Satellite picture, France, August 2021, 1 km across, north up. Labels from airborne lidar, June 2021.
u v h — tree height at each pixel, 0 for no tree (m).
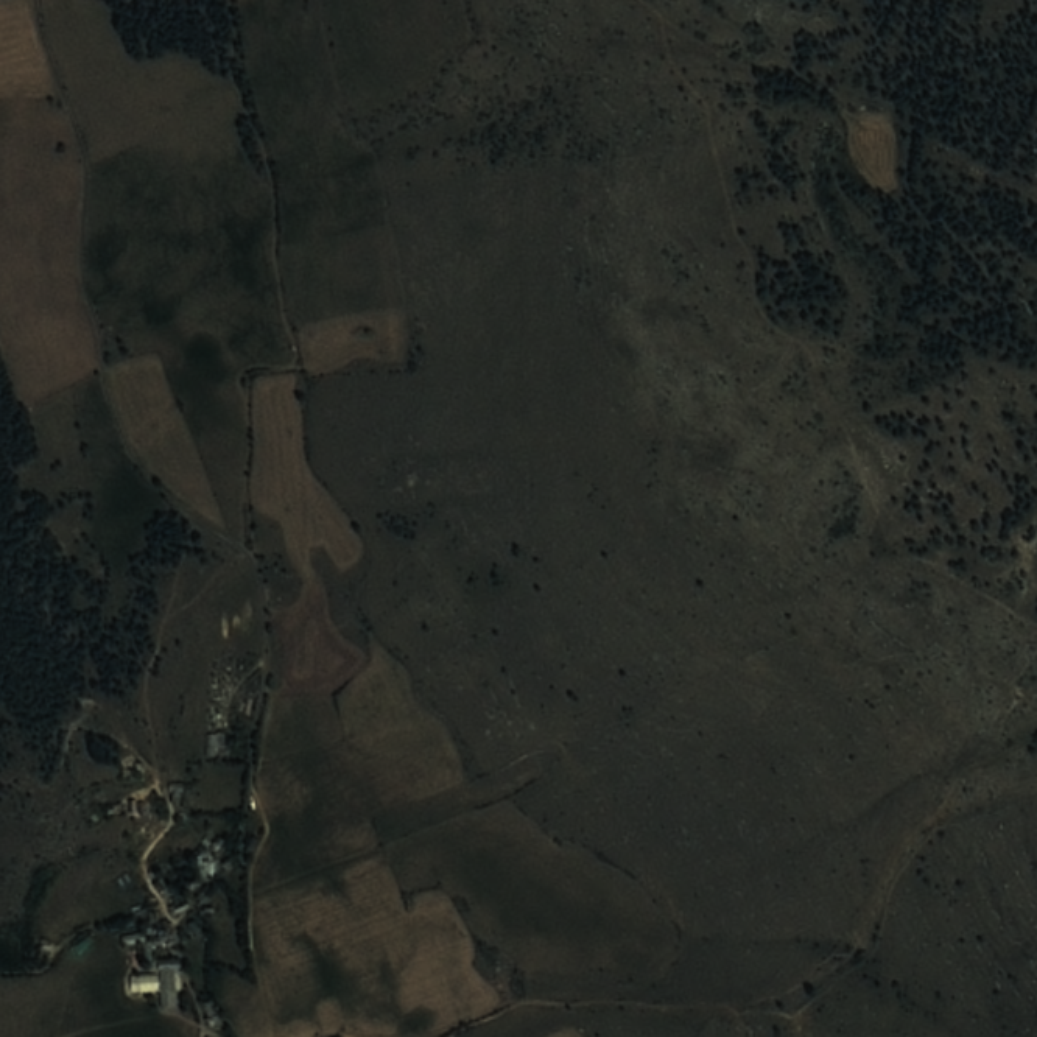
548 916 0
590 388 0
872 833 0
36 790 0
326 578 0
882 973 0
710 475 0
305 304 0
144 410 0
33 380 0
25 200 0
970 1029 0
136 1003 0
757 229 0
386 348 0
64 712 9
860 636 0
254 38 0
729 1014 0
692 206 0
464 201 0
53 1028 0
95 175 0
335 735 0
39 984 0
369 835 0
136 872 0
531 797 0
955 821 0
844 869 0
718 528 0
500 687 0
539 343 0
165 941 0
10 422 10
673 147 0
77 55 0
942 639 0
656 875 0
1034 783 0
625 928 0
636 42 0
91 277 0
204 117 0
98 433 0
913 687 0
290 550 0
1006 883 0
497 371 0
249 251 0
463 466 0
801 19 0
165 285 0
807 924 0
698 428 0
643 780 0
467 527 0
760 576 0
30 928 6
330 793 0
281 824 0
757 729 0
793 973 0
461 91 0
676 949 0
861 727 0
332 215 0
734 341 0
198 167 0
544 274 0
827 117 0
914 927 0
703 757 0
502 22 0
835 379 0
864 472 0
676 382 0
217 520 0
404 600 0
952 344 10
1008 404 0
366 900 0
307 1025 0
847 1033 0
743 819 0
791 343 0
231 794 0
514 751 0
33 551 6
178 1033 0
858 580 0
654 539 0
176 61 0
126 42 10
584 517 0
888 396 0
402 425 0
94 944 0
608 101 0
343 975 0
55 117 0
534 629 0
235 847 6
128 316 0
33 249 0
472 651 0
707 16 0
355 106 0
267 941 0
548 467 0
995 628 0
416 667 0
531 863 0
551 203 0
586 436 0
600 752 0
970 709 0
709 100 0
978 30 8
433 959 0
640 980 0
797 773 0
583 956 0
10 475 14
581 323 0
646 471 0
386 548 0
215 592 0
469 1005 0
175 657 0
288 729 0
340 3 0
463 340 0
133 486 0
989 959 0
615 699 0
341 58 0
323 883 0
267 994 0
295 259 0
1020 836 0
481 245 0
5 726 8
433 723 0
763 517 0
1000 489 0
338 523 0
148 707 0
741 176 9
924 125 9
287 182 0
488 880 0
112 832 0
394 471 0
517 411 0
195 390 0
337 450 0
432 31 0
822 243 0
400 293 0
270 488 0
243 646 0
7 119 0
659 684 0
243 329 0
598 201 0
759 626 0
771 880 0
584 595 0
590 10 0
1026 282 6
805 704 0
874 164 0
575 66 0
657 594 0
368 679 0
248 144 9
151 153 0
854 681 0
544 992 0
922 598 0
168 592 0
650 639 0
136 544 0
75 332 0
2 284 0
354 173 0
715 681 0
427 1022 0
